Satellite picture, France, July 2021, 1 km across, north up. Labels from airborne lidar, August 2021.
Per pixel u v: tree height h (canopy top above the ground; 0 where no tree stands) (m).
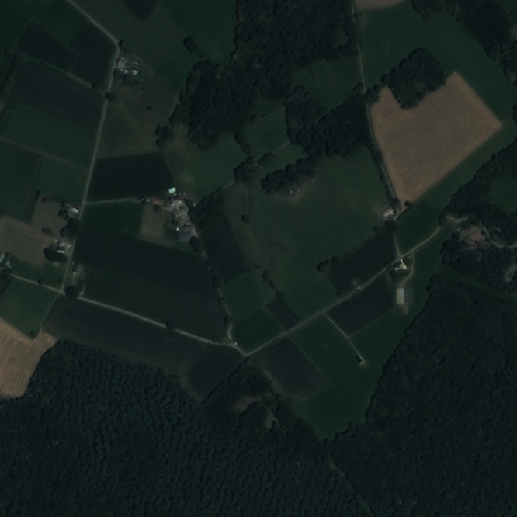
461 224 6
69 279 0
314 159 17
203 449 27
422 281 0
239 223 0
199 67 20
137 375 26
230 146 0
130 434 25
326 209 0
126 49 23
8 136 0
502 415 17
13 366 0
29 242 0
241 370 15
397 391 21
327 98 0
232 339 0
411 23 0
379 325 0
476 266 19
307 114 25
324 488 20
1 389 0
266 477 31
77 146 0
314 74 0
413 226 0
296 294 0
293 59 21
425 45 0
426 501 19
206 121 21
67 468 25
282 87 15
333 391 0
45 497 18
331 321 0
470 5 23
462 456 18
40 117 0
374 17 0
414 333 20
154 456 28
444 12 18
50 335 0
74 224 23
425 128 0
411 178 0
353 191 0
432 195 0
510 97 0
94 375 25
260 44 24
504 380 18
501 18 11
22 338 0
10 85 15
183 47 0
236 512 22
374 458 20
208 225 16
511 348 18
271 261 0
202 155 0
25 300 0
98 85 13
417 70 24
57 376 17
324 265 16
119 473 24
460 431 17
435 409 21
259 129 0
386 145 0
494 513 31
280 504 24
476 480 22
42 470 26
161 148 16
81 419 33
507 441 15
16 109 0
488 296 19
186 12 0
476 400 18
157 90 0
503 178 25
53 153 0
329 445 25
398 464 23
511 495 17
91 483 20
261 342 0
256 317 0
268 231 0
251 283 0
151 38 0
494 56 23
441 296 21
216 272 15
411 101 26
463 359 18
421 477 20
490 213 28
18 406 19
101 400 22
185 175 0
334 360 0
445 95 0
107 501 22
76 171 0
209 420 25
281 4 28
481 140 0
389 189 7
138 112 0
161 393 31
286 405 16
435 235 0
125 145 0
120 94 0
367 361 0
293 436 20
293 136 22
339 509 34
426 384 27
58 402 18
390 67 0
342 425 0
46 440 21
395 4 0
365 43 0
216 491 22
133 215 0
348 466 22
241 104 21
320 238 0
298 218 0
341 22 21
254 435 16
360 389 0
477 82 0
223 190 13
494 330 22
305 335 0
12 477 18
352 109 13
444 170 0
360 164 0
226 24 0
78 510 13
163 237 0
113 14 0
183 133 0
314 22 21
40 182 0
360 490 25
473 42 0
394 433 21
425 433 22
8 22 0
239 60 23
